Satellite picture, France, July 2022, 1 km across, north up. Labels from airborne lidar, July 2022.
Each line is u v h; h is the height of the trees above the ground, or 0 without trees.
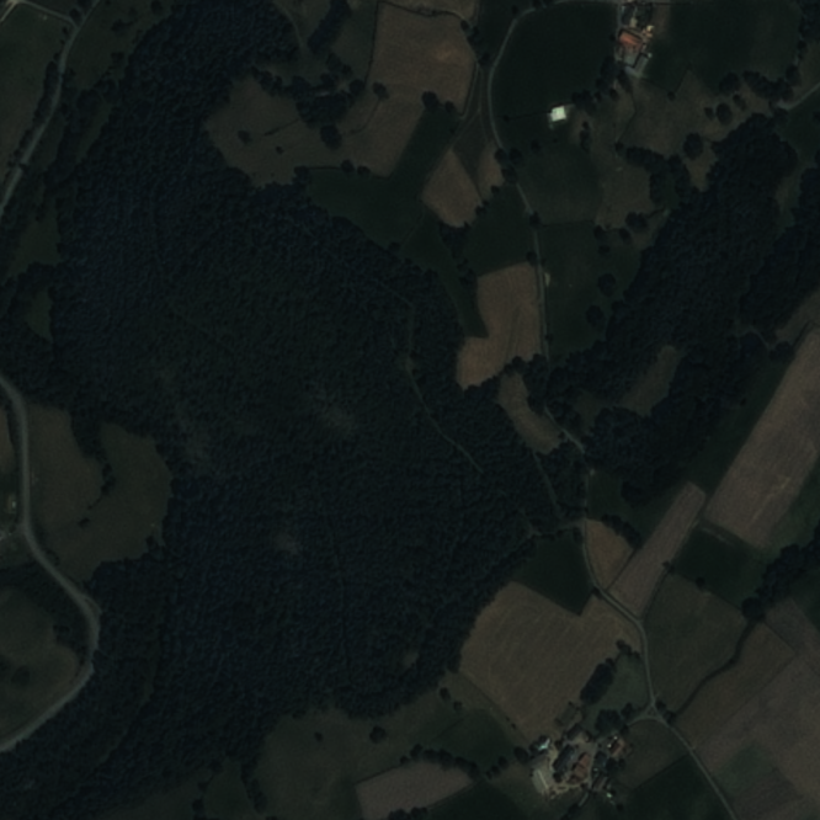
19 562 0
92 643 0
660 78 0
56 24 0
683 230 25
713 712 0
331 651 17
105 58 0
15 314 21
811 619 0
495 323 0
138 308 19
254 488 14
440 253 0
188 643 33
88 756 24
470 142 0
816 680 0
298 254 14
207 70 12
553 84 0
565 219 0
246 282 8
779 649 0
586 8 0
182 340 9
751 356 24
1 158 0
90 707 19
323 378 9
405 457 15
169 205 24
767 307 23
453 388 22
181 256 19
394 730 0
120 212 18
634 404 0
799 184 0
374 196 0
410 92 0
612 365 28
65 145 16
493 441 24
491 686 0
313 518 17
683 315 22
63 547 0
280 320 16
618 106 0
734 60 0
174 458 19
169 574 26
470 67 0
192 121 7
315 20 0
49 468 0
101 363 20
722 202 25
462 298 0
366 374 16
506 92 0
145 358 16
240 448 17
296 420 13
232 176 25
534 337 0
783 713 0
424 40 0
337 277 15
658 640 0
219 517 29
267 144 0
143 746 21
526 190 0
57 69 16
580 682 0
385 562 15
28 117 0
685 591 0
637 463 22
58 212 11
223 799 0
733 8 0
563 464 16
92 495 0
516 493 18
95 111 23
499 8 0
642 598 0
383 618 16
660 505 0
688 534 0
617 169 0
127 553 0
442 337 13
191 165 8
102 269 23
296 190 12
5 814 25
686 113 0
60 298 22
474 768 15
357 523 15
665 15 0
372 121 0
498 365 0
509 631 0
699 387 30
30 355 22
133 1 0
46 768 31
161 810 0
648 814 0
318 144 0
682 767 0
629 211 0
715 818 0
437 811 0
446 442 18
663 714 11
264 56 23
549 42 0
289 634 19
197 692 14
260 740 16
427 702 0
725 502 0
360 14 0
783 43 0
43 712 0
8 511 0
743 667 0
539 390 23
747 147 28
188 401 6
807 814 0
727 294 29
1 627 0
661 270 30
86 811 17
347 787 0
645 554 0
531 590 0
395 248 13
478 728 0
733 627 0
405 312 7
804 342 0
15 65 0
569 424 15
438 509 21
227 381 10
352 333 13
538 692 0
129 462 0
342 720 0
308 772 0
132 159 11
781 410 0
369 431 9
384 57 0
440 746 0
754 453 0
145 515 0
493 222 0
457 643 17
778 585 24
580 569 0
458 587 16
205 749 16
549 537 7
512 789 0
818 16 24
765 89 20
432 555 11
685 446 33
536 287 0
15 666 0
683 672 0
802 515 0
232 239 12
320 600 21
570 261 0
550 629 0
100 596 19
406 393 14
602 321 23
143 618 24
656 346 15
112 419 20
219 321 13
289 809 0
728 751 0
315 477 13
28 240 0
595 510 0
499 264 0
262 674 25
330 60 19
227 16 27
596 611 0
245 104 0
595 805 0
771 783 0
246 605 24
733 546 0
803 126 0
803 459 0
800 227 18
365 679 15
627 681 0
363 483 10
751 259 22
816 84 0
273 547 9
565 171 0
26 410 0
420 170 0
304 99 17
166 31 22
